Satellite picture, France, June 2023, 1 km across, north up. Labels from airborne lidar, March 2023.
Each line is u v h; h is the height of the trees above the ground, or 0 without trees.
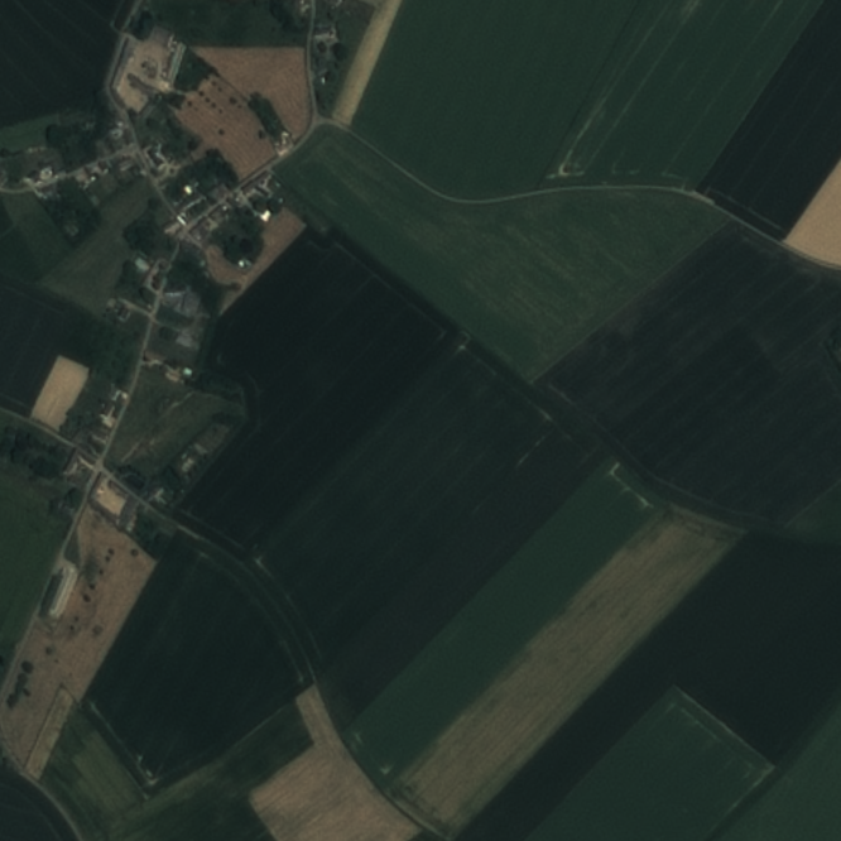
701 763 0
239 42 0
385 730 0
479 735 0
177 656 0
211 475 0
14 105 0
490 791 0
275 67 0
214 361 0
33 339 0
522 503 0
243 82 0
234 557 0
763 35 0
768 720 0
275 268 0
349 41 0
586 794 0
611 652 0
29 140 0
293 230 0
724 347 0
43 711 0
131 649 0
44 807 0
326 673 0
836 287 0
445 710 0
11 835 0
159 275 7
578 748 0
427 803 0
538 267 0
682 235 0
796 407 0
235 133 0
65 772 0
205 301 0
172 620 0
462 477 0
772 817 0
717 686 0
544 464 0
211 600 0
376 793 0
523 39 0
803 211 0
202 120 0
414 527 0
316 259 0
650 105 0
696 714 0
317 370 0
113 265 0
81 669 0
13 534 0
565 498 0
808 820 0
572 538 0
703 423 0
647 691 0
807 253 0
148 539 6
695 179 0
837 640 0
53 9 0
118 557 0
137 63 0
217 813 0
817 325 0
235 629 0
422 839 0
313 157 0
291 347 0
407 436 0
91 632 0
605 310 0
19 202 0
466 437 0
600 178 0
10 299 0
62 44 0
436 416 0
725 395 0
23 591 0
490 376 0
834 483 0
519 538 0
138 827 0
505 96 0
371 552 0
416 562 0
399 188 0
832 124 0
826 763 0
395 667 0
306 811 0
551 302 0
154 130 10
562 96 0
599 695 0
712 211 0
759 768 0
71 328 0
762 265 0
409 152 0
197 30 0
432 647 0
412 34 0
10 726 0
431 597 0
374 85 0
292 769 0
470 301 0
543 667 0
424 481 0
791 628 0
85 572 0
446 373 0
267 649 0
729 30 0
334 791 0
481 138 0
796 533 0
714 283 0
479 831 0
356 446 0
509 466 0
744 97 0
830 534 0
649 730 0
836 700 0
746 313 0
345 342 0
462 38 0
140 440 0
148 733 0
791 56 0
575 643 0
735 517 0
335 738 0
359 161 0
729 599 0
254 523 0
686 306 0
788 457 0
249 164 0
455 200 0
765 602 0
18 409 0
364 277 0
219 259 0
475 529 0
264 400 0
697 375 0
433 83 0
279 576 0
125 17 0
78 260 0
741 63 0
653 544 0
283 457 0
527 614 0
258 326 0
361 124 0
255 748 0
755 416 0
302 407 0
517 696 0
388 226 0
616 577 0
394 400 0
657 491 0
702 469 0
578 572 0
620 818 0
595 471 0
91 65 0
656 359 0
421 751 0
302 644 0
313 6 0
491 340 0
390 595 0
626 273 0
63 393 0
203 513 0
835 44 0
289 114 0
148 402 0
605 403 0
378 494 0
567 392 0
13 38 0
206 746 0
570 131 0
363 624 0
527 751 0
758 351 0
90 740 0
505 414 0
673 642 0
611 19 0
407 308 0
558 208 0
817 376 0
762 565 0
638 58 0
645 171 0
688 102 0
